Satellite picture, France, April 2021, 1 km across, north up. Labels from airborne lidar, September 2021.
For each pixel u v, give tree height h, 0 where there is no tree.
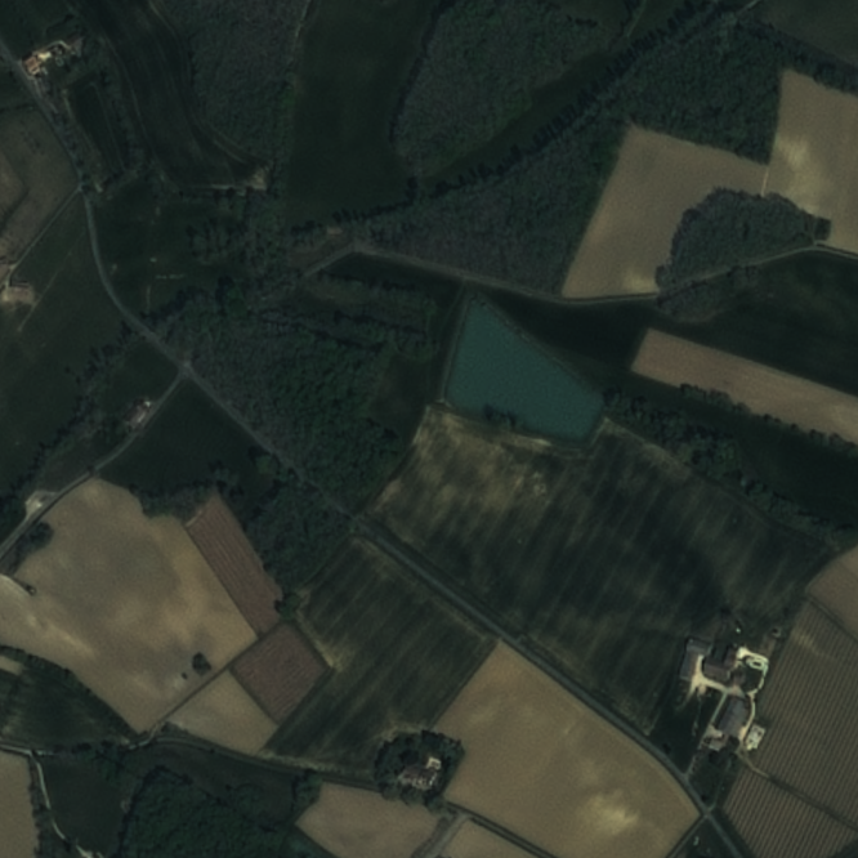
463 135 25
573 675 0
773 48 31
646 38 0
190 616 0
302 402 23
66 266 0
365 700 0
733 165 0
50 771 0
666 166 0
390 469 22
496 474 0
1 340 0
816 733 0
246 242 20
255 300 17
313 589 0
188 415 0
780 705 0
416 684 0
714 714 0
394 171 0
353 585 0
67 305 0
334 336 9
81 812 0
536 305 0
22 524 0
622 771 0
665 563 0
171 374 0
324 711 0
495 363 0
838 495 0
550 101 0
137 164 14
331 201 0
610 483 0
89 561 0
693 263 19
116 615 0
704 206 0
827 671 0
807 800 0
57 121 13
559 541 0
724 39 33
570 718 0
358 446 23
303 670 0
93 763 14
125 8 0
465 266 14
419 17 0
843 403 0
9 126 0
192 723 0
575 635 0
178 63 0
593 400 0
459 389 0
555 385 0
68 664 0
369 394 21
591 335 0
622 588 0
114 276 0
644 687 0
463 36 22
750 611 0
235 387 17
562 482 0
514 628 0
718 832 0
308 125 0
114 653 0
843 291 0
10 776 0
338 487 20
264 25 9
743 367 0
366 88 0
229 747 0
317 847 0
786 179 0
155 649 0
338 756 0
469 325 0
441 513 0
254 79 14
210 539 0
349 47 0
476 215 22
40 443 0
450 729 0
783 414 0
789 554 0
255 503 0
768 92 21
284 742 0
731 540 0
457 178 0
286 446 21
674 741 0
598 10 0
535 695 0
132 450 0
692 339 0
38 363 0
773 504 11
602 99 28
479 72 22
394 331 17
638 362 0
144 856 23
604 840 0
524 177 22
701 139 18
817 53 12
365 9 0
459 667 0
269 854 16
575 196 22
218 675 0
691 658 0
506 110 22
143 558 0
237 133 13
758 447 0
